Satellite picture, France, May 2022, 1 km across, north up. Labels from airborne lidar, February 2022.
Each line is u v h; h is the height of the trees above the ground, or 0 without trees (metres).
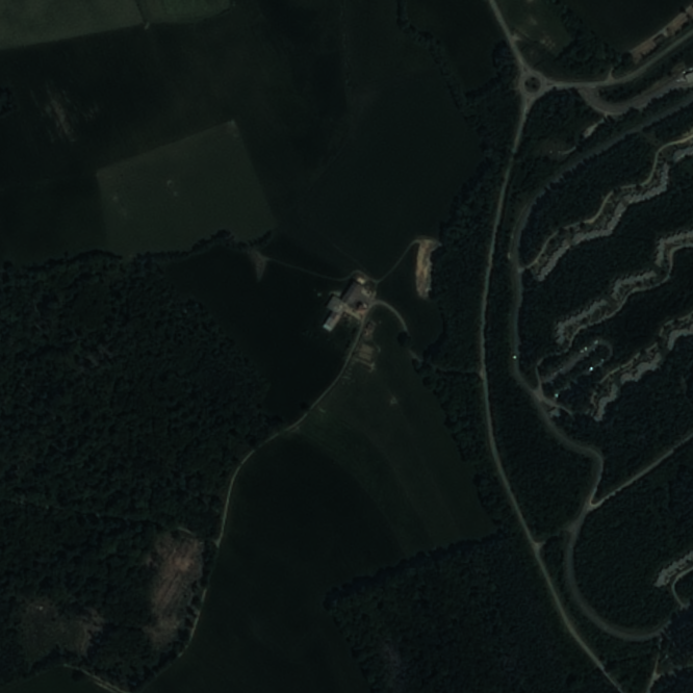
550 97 9
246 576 0
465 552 25
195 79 0
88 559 22
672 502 8
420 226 0
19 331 26
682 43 0
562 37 0
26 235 0
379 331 0
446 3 0
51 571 22
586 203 10
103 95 0
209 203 0
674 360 14
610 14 0
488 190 22
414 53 0
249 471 0
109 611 25
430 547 0
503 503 12
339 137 0
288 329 0
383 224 0
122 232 0
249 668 0
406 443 0
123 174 0
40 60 0
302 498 0
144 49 0
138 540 27
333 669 0
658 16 0
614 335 9
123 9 0
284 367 0
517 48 0
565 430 13
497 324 12
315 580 0
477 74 0
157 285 12
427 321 0
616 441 16
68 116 0
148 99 0
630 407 8
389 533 0
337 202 0
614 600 10
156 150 0
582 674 11
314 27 0
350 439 0
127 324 28
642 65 0
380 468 0
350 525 0
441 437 0
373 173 0
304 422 0
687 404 13
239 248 14
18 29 0
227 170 0
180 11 0
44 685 0
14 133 0
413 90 0
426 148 0
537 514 12
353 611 26
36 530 12
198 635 0
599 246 10
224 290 0
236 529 0
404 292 0
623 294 0
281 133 0
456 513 0
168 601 0
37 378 12
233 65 0
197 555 0
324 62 0
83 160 0
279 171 0
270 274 0
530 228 7
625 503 12
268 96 0
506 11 0
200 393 20
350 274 0
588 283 11
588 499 0
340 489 0
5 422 22
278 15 0
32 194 0
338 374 0
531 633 19
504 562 19
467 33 0
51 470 20
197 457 18
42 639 0
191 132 0
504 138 14
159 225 0
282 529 0
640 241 8
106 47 0
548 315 8
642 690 7
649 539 8
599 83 0
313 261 0
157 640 0
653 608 6
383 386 0
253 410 13
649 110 8
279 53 0
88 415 26
